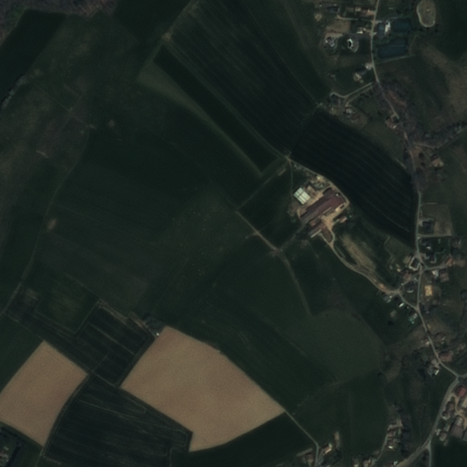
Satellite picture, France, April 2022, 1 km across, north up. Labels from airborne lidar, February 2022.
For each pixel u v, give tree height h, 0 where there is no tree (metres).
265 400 0
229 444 0
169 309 0
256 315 0
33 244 0
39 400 0
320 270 0
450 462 0
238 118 0
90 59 0
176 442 0
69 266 0
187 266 0
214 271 0
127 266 0
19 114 0
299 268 0
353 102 0
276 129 0
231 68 0
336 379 0
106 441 0
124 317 0
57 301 0
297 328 0
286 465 0
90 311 0
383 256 0
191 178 0
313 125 0
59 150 0
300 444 0
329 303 0
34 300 0
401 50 0
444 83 0
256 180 0
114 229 0
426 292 0
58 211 0
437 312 19
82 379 0
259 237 0
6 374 0
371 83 0
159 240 0
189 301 0
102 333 0
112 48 0
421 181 27
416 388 0
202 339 0
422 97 0
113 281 0
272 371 0
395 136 0
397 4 0
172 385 0
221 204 0
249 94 0
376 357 0
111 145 0
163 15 0
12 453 0
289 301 0
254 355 0
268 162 0
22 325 0
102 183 0
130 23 0
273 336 0
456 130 15
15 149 0
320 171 0
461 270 0
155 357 0
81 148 0
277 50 0
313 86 0
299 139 0
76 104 0
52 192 0
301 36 0
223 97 0
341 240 0
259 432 0
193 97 0
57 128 0
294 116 0
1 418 0
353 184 0
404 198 0
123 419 0
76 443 0
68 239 0
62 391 0
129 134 0
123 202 0
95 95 0
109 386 0
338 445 0
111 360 0
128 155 0
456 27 0
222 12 0
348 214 0
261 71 0
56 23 0
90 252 0
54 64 0
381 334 0
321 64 0
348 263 0
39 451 0
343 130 0
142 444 0
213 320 0
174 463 0
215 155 0
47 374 0
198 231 0
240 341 0
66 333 0
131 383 0
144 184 0
